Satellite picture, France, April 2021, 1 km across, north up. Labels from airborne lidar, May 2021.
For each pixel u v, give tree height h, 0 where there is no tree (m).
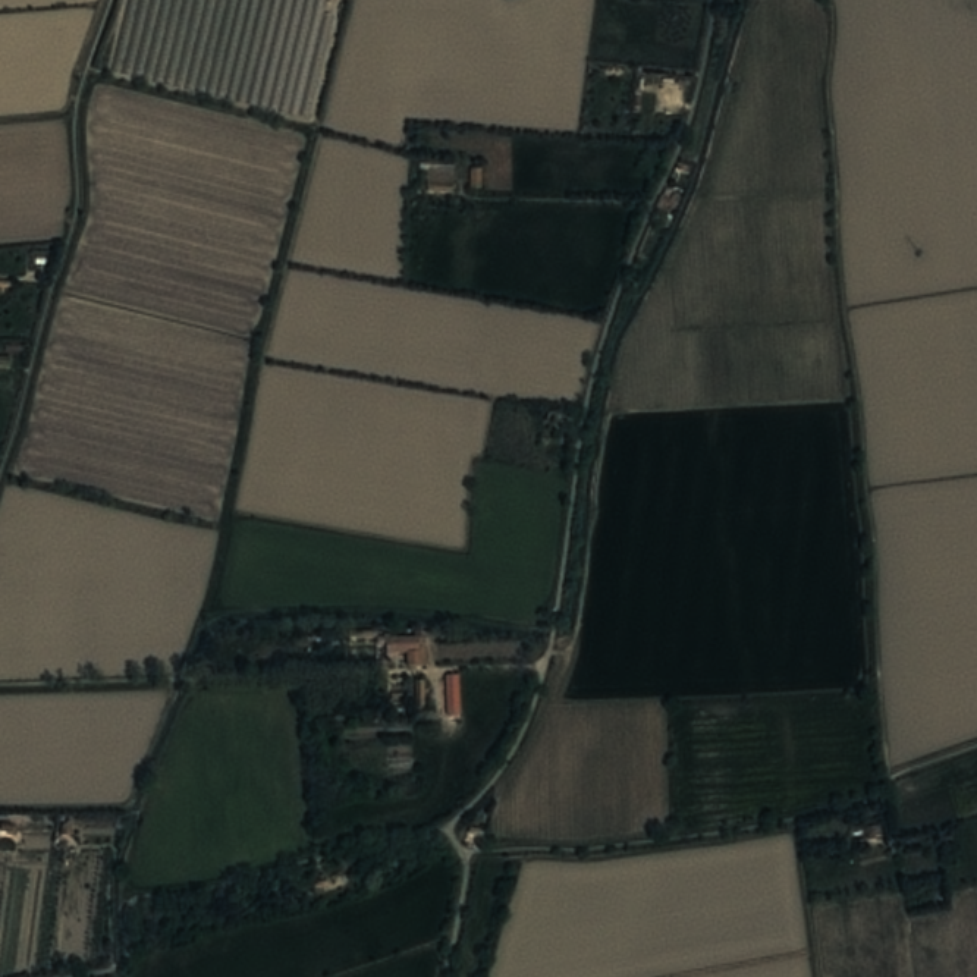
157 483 0
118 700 0
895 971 0
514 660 7
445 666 6
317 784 19
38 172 0
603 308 8
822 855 14
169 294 0
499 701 0
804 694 0
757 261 0
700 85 0
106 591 0
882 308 0
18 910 0
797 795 0
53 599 0
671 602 0
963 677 0
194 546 0
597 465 0
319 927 0
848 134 0
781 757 0
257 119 11
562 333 0
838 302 0
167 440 0
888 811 12
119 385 0
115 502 7
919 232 0
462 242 0
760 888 0
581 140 9
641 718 0
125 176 0
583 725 0
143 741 0
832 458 0
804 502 0
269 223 0
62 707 0
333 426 0
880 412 0
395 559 0
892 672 0
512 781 0
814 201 0
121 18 0
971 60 0
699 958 0
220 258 0
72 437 0
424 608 0
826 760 0
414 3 0
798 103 0
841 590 0
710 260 0
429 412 0
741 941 0
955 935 0
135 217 0
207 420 0
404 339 0
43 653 0
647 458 0
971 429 0
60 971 17
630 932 0
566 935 0
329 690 32
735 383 0
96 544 0
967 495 0
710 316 0
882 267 0
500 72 0
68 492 10
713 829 0
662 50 0
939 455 0
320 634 25
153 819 0
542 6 0
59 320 0
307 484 0
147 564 0
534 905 0
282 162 0
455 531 0
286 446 0
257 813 0
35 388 0
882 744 8
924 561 0
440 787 0
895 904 0
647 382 0
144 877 0
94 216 0
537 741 0
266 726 0
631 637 0
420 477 0
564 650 0
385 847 13
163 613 0
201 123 0
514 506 0
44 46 0
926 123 0
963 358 0
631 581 0
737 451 0
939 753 0
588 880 0
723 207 0
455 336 0
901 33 0
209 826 0
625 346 0
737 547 0
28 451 0
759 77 0
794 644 0
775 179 0
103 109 0
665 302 0
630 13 0
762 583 0
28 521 0
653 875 0
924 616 0
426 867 12
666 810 0
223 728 0
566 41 0
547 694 9
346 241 0
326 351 0
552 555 0
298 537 0
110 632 0
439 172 0
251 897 14
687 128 10
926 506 0
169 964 0
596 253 0
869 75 0
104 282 0
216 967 0
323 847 7
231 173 0
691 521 0
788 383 0
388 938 0
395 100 0
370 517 0
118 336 0
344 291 0
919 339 0
